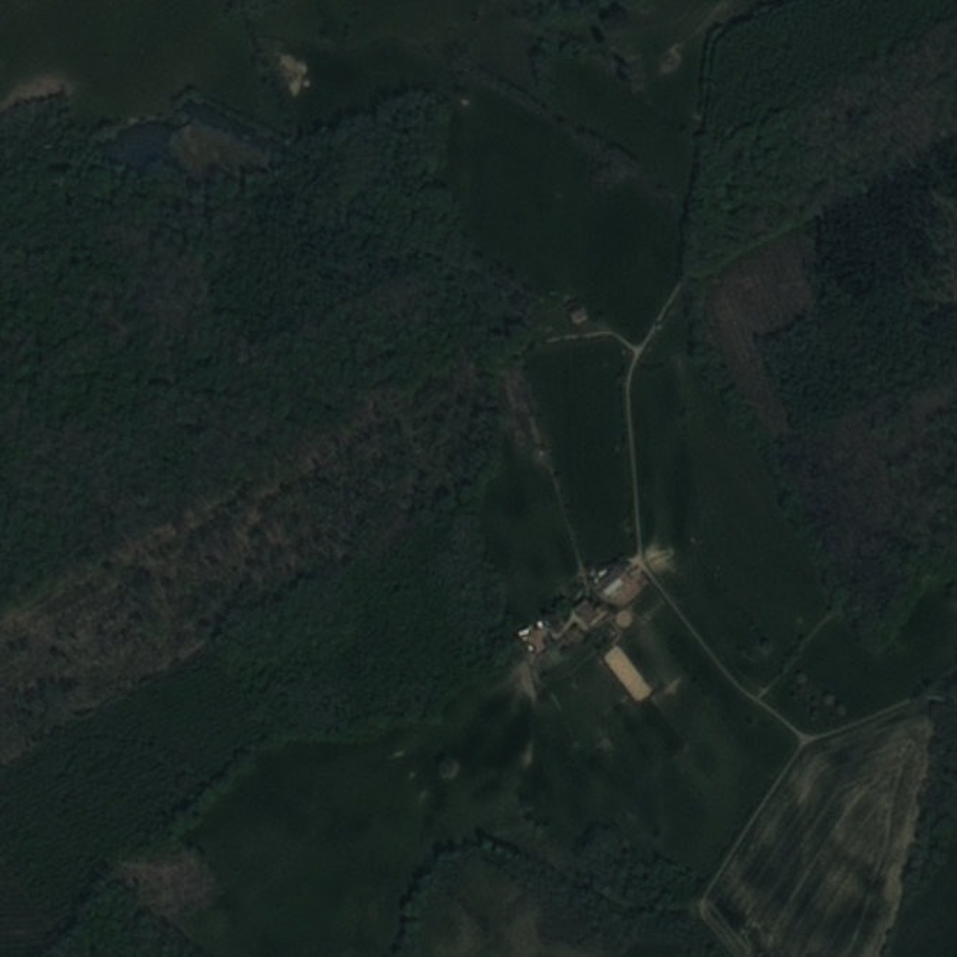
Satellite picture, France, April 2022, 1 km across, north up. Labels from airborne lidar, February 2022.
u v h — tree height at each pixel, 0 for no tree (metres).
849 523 23
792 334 16
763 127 18
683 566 0
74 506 26
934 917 0
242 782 0
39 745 13
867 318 18
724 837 0
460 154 0
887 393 13
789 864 0
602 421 0
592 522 0
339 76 0
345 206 14
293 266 26
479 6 0
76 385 29
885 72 27
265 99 0
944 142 26
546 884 23
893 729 0
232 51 0
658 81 0
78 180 25
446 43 0
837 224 22
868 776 0
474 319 27
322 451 27
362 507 24
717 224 27
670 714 0
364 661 20
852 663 0
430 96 14
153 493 31
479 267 24
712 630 0
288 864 0
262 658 23
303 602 22
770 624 0
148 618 25
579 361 0
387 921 0
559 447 0
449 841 0
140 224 26
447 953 0
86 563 24
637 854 9
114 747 11
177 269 26
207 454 29
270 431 29
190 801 6
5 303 22
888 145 30
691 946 10
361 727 24
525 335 14
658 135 0
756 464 0
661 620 0
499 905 0
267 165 0
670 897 16
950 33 25
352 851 0
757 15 11
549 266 0
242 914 0
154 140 0
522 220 0
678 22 0
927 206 25
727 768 0
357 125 25
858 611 26
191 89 7
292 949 0
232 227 25
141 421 26
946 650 0
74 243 24
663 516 0
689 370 0
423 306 31
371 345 24
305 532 23
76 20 0
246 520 29
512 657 19
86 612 0
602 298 0
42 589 27
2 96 0
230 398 22
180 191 20
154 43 0
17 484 23
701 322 17
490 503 0
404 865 0
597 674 0
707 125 10
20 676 0
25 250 26
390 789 0
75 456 27
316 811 0
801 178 27
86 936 26
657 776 0
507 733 0
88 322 24
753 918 0
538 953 0
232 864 0
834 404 24
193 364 23
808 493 23
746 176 24
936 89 30
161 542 0
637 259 0
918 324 20
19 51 0
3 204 24
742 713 0
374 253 29
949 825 24
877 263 21
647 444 0
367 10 0
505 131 0
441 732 0
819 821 0
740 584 0
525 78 0
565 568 0
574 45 14
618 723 0
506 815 0
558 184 0
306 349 27
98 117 0
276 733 25
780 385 23
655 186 12
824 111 29
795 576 0
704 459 0
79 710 24
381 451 24
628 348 0
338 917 0
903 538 20
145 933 29
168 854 0
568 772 0
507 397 0
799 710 0
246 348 29
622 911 16
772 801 0
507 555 0
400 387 29
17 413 33
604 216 0
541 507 0
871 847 0
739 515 0
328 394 28
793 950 0
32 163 16
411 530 22
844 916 0
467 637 18
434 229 26
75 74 0
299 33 0
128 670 0
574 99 0
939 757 20
